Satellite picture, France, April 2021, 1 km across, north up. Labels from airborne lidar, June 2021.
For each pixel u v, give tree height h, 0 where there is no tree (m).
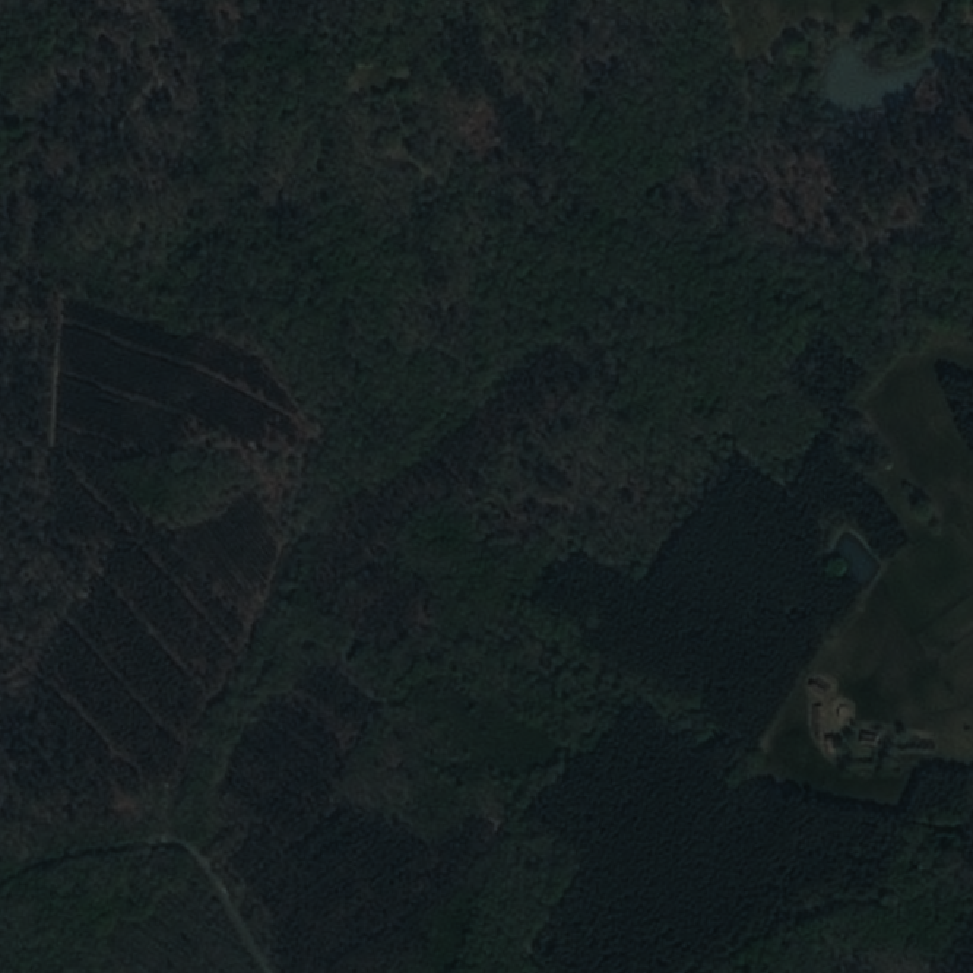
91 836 13
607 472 16
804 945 20
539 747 11
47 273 13
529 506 7
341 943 13
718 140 22
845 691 0
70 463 14
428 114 9
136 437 7
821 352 20
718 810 20
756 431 19
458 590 17
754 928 18
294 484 15
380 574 17
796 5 0
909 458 0
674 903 22
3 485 16
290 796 19
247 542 7
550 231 16
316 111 13
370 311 23
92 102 19
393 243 21
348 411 24
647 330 14
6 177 11
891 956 16
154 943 14
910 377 0
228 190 25
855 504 20
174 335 7
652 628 22
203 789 19
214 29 21
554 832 20
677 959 22
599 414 17
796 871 19
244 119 17
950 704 0
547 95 20
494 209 20
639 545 16
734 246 23
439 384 20
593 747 18
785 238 13
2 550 12
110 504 19
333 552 16
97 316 8
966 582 0
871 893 21
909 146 24
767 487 21
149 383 7
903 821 18
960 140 25
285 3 24
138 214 20
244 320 22
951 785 21
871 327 26
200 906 10
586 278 24
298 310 28
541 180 18
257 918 10
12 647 13
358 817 16
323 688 14
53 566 10
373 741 14
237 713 24
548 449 19
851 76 0
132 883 17
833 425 10
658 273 17
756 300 23
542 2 22
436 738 9
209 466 20
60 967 20
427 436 23
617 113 21
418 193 18
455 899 14
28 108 13
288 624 21
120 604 20
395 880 16
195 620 21
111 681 20
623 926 20
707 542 17
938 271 24
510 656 16
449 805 11
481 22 13
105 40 10
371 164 16
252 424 8
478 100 10
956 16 18
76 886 25
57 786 26
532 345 22
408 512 14
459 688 7
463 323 10
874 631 0
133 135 18
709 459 20
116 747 15
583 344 21
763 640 20
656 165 21
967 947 19
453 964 11
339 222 18
